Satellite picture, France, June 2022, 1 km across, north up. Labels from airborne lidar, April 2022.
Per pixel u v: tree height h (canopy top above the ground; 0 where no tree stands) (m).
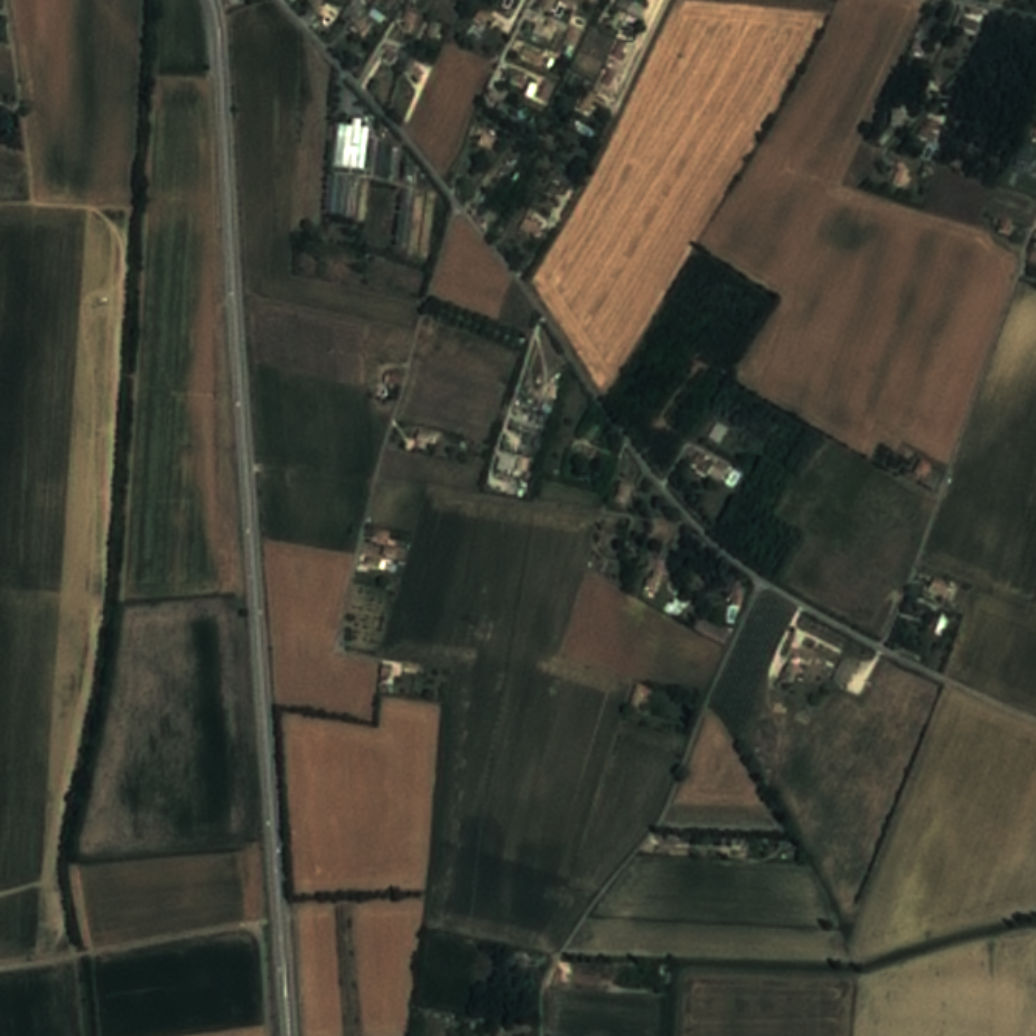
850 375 0
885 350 0
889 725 0
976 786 0
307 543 0
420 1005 6
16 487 0
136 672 0
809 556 0
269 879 0
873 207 0
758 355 0
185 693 0
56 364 0
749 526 15
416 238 0
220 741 0
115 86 0
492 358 0
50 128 0
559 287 0
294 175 0
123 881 0
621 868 0
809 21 0
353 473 0
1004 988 0
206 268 0
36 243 0
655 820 0
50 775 0
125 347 7
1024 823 0
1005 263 0
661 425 10
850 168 0
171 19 0
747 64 0
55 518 0
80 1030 0
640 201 0
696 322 10
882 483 0
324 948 0
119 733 0
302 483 0
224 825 0
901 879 0
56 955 0
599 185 0
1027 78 18
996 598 0
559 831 0
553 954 0
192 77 0
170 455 0
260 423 0
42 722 0
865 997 0
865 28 0
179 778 0
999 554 0
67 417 0
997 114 16
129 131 0
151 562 0
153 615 0
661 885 0
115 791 0
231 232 0
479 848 0
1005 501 0
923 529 0
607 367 0
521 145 6
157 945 0
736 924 0
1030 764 0
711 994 0
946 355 0
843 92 0
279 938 0
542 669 0
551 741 0
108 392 0
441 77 0
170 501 0
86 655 0
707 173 0
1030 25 10
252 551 0
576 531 0
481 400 0
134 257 10
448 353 0
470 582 0
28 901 0
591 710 0
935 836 0
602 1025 0
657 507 14
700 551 16
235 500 0
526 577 0
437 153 0
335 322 0
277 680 0
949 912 0
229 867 0
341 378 0
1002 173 7
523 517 0
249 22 0
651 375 9
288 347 0
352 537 0
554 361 0
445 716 0
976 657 0
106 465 0
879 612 0
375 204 0
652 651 0
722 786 0
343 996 0
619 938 0
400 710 0
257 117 0
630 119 0
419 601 0
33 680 0
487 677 0
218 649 0
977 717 0
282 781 9
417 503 0
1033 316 0
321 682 0
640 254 0
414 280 0
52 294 0
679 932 0
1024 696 0
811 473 0
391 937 0
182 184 0
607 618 0
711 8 0
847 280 0
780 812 6
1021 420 0
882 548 0
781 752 0
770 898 0
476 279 0
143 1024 0
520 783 0
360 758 0
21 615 0
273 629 0
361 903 14
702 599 17
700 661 0
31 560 0
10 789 0
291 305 0
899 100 15
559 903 0
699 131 0
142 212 8
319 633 0
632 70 0
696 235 0
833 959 0
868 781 0
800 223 0
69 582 0
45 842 0
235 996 0
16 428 0
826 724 0
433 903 0
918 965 0
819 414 0
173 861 0
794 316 0
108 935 0
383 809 0
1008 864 0
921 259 0
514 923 0
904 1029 0
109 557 7
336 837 0
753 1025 0
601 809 0
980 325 0
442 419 0
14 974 0
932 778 0
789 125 0
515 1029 16
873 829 0
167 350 0
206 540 0
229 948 0
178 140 0
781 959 0
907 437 0
